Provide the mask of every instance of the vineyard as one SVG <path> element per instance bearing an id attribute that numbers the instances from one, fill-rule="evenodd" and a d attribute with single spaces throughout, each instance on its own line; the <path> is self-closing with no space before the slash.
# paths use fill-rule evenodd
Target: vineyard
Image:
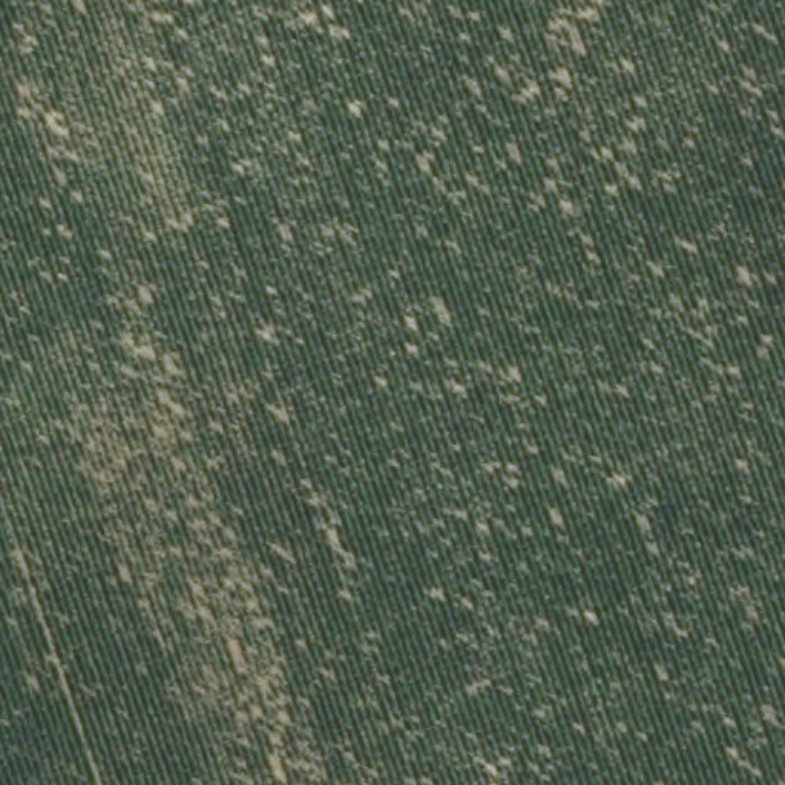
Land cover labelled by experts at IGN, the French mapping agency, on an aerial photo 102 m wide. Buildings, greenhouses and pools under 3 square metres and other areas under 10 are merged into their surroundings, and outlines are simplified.
<path id="1" fill-rule="evenodd" d="M 0 785 L 785 785 L 785 0 L 0 0 Z"/>

